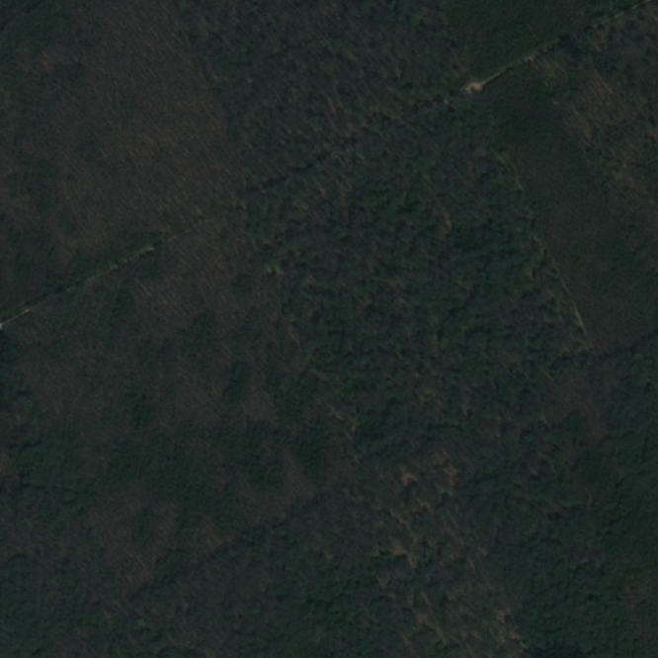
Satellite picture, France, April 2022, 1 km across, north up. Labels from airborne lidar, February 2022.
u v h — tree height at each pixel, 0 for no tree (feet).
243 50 94
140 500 52
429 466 95
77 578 83
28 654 74
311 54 98
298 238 96
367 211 45
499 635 78
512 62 61
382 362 78
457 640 80
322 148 94
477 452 87
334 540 89
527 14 17
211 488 44
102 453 53
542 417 98
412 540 77
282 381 65
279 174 100
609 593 85
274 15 106
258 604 86
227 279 74
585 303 45
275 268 83
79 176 73
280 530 59
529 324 93
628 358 83
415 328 72
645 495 68
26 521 88
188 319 64
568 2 26
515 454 79
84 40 63
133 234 52
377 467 95
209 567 87
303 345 71
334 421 71
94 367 64
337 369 88
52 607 98
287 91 103
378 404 89
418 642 78
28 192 47
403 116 97
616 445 65
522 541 78
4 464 0
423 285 96
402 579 83
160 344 59
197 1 89
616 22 80
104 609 80
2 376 76
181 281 78
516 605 87
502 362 96
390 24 101
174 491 67
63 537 89
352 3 93
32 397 67
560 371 77
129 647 93
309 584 72
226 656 88
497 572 91
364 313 104
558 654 78
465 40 31
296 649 68
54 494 80
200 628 96
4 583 94
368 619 80
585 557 94
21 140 54
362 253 99
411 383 105
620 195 70
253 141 90
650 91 0
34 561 94
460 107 94
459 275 93
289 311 84
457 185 91
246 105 95
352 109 100
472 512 92
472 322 91
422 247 99
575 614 78
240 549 73
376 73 106
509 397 94
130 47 79
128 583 63
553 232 39
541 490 91
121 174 68
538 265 86
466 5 33
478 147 92
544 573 93
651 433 84
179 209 71
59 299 68
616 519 61
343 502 93
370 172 90
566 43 72
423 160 96
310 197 97
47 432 78
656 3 0
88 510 67
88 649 99
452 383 97
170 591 82
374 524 87
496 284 89
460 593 95
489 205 80
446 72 97
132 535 55
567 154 40
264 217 91
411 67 94
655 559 35
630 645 73
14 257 59
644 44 83
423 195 103
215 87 83
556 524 85
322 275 94
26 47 66
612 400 78
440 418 97
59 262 53
